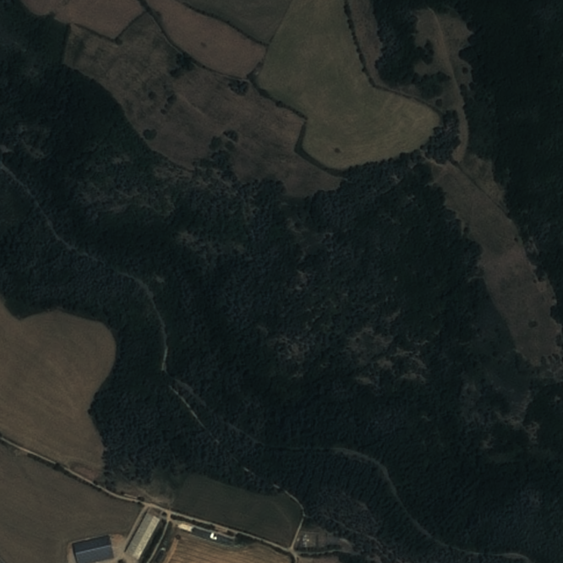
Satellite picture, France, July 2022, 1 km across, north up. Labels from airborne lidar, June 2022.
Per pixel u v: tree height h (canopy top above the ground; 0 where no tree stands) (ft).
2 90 34
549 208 38
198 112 0
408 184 36
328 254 29
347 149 0
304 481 73
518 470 54
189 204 31
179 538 0
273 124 0
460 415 45
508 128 43
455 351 28
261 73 0
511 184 33
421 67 0
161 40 0
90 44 0
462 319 47
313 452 45
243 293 36
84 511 0
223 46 0
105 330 0
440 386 51
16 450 0
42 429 0
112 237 89
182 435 49
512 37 45
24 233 61
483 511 47
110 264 62
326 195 45
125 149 30
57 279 66
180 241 0
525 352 0
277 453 70
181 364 68
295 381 36
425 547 60
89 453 0
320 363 56
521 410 0
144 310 23
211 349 44
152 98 20
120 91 0
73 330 0
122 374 70
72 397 0
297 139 0
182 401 43
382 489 43
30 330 0
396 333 43
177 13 0
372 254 50
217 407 67
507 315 0
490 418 24
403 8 59
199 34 0
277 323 40
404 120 0
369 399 30
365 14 0
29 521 0
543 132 37
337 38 0
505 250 0
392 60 62
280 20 0
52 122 55
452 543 43
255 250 52
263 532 0
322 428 56
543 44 61
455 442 37
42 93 43
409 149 0
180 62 29
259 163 0
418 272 51
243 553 0
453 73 0
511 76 52
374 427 43
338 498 63
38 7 0
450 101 0
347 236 42
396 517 71
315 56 0
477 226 0
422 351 47
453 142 42
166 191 22
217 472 39
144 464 55
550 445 33
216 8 0
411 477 51
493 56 66
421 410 53
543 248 32
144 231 68
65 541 0
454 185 0
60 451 0
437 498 51
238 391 54
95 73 0
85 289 60
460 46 0
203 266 38
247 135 0
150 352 56
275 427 38
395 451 58
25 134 37
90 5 0
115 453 76
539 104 39
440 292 21
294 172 0
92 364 0
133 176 44
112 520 0
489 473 73
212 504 0
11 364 0
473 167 0
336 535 25
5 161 51
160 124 0
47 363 0
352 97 0
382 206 44
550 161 47
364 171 43
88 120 63
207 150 0
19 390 0
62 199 65
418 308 43
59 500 0
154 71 0
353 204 66
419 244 58
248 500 0
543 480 57
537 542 40
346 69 0
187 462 38
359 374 62
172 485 0
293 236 26
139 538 0
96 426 0
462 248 46
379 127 0
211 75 0
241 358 57
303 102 0
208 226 54
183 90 0
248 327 45
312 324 43
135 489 0
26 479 0
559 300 27
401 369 48
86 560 0
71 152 62
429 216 48
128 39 0
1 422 0
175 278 57
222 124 0
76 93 59
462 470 63
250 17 0
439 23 0
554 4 50
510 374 0
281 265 56
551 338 0
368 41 0
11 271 59
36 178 69
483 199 0
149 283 34
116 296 38
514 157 42
